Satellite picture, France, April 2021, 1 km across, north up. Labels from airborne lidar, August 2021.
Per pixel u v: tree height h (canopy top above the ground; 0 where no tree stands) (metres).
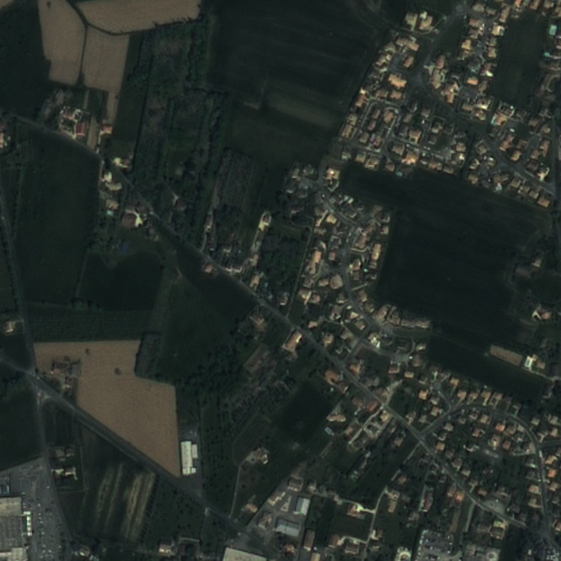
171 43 24
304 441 0
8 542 0
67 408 0
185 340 0
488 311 0
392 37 0
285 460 0
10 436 0
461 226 0
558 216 15
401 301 0
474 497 0
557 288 0
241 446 0
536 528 6
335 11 0
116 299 0
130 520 0
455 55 6
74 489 0
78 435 0
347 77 0
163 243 0
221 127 15
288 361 6
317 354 12
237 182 22
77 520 0
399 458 0
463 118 0
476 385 0
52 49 0
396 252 0
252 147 0
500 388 0
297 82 0
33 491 0
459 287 0
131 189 12
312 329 10
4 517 0
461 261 0
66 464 0
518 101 0
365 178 0
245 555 0
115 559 0
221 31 0
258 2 0
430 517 6
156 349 17
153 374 17
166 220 15
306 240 9
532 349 7
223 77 0
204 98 16
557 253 13
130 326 8
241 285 0
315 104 0
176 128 10
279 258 16
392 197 0
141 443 0
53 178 0
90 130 0
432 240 0
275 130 0
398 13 0
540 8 6
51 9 0
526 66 0
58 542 0
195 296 0
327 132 0
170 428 0
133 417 0
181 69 17
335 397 9
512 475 12
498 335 0
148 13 0
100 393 0
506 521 0
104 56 0
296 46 0
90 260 0
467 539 10
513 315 0
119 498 0
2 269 0
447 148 0
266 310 7
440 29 0
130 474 0
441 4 0
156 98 13
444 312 0
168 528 0
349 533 0
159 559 0
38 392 0
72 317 7
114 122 0
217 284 0
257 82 0
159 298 6
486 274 0
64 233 0
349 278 0
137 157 10
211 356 11
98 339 8
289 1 0
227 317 0
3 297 0
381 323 0
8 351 0
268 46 0
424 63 0
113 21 0
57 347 0
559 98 12
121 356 0
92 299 0
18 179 8
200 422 9
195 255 0
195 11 0
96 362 0
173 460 0
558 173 9
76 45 0
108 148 6
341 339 6
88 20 0
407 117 0
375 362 0
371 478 0
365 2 0
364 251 0
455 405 0
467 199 0
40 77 0
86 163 0
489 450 0
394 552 5
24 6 10
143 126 16
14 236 10
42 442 0
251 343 14
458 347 0
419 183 0
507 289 0
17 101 0
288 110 0
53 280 0
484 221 0
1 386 6
